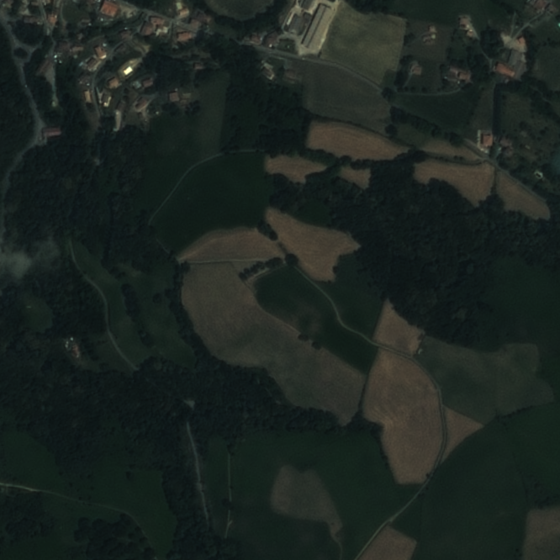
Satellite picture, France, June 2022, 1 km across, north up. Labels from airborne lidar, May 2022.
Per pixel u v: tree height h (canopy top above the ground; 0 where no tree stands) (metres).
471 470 0
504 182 0
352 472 0
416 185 21
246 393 21
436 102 0
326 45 0
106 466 0
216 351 0
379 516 0
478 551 0
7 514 11
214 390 29
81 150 25
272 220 0
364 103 0
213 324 0
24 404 21
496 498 0
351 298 0
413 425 0
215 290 0
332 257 0
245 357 0
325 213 0
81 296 15
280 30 14
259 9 0
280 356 0
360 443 0
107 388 26
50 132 0
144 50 0
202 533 23
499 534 0
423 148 0
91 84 0
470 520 0
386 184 22
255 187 0
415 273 34
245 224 0
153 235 13
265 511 0
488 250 17
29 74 19
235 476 0
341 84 0
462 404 0
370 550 0
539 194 16
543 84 13
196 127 0
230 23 16
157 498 0
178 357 0
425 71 0
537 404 0
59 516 0
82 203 17
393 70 0
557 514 0
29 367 25
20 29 19
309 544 0
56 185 27
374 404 0
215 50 21
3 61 22
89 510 0
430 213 29
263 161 0
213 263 0
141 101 0
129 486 0
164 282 0
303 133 6
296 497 0
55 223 24
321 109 0
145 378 11
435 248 20
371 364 0
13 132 17
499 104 15
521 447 0
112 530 17
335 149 0
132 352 0
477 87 0
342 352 0
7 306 22
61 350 15
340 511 0
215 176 0
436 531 0
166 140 0
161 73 24
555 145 6
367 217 26
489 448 0
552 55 0
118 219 15
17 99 25
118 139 26
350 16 0
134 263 21
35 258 24
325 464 0
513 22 0
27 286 27
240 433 7
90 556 17
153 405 24
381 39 0
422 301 28
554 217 19
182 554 17
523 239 24
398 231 30
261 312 0
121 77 0
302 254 0
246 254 0
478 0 0
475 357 0
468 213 26
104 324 12
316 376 0
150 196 0
